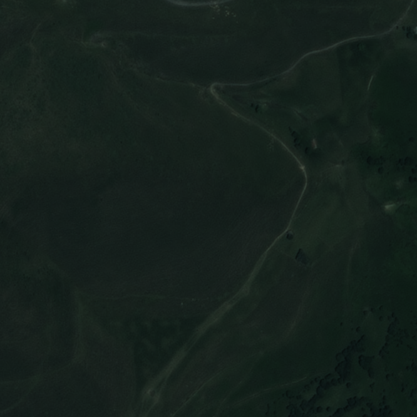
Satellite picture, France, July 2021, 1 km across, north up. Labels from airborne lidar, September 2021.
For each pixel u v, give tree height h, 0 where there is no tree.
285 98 0
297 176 0
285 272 0
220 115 0
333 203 0
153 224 0
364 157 8
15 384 0
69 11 0
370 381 0
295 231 0
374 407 13
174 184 0
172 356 0
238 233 0
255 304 0
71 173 0
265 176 0
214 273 0
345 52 0
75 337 0
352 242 0
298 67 0
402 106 0
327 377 13
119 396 0
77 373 0
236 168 0
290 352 0
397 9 0
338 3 0
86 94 0
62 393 0
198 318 0
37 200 0
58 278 0
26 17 0
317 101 0
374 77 0
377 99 0
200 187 0
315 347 0
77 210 0
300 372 0
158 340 0
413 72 0
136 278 0
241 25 0
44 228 0
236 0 0
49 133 0
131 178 0
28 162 0
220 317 0
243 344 0
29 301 0
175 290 0
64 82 0
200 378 0
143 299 0
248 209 0
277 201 0
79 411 0
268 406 9
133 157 0
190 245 0
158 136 0
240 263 0
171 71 0
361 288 0
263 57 0
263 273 0
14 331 0
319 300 0
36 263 0
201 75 0
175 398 0
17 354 0
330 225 0
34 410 0
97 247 0
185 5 0
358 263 0
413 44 0
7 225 0
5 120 0
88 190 0
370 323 0
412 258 0
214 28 0
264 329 0
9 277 0
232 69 0
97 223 0
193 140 0
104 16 0
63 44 0
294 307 0
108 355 0
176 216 0
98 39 0
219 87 0
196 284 0
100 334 0
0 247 0
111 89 0
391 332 17
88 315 0
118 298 0
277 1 0
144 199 0
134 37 0
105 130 0
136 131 0
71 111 0
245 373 0
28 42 0
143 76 0
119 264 0
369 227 0
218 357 0
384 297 0
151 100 0
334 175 0
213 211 0
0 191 0
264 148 0
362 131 0
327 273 0
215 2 0
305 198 0
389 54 0
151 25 0
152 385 0
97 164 0
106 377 0
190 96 0
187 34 0
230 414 0
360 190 0
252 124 0
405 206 12
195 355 0
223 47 0
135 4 0
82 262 0
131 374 0
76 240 0
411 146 0
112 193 0
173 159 0
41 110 0
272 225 0
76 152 0
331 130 0
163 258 0
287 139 0
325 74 0
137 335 0
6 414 0
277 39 0
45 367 0
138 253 0
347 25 0
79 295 0
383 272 0
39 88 0
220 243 0
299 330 0
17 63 0
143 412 0
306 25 0
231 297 0
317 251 0
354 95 0
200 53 0
